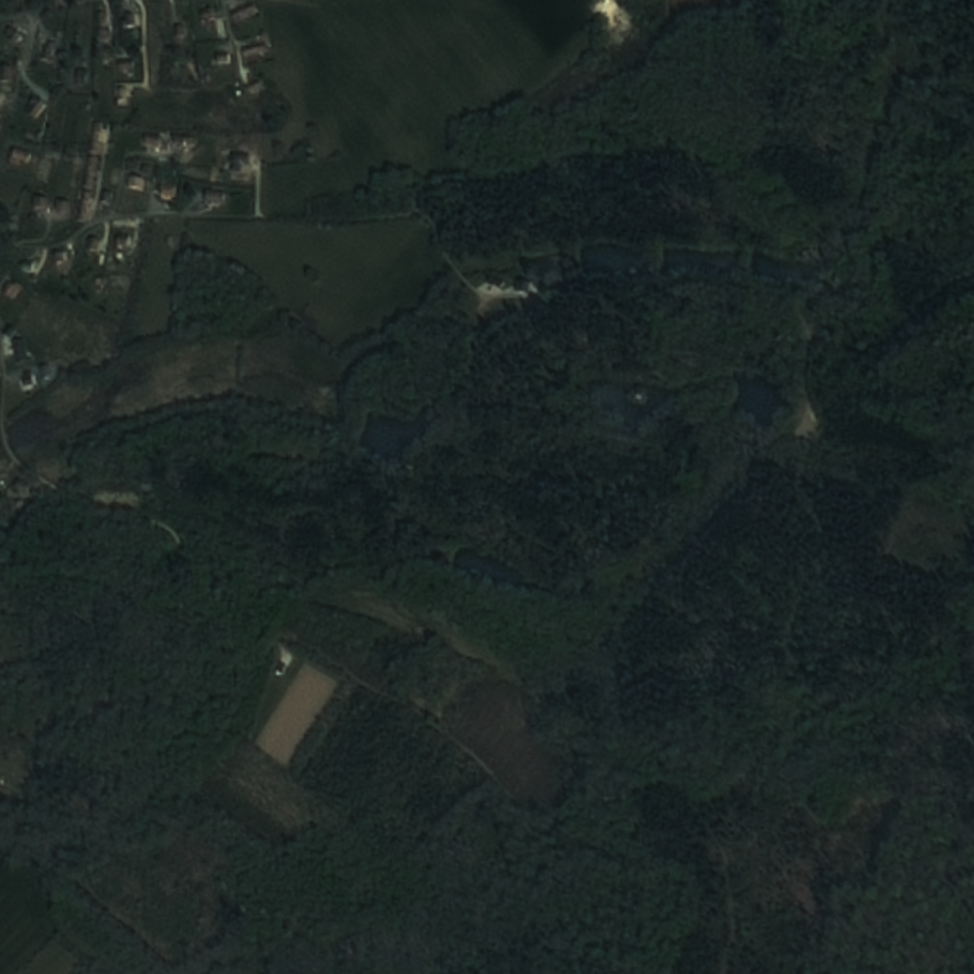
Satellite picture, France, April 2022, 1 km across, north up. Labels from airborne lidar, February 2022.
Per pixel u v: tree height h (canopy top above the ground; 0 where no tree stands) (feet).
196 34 0
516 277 0
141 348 52
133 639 50
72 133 0
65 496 45
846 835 45
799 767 75
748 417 58
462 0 0
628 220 47
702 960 25
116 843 68
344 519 32
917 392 61
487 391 59
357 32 0
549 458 26
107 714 63
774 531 75
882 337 30
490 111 22
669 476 37
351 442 57
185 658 70
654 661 79
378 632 35
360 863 58
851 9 54
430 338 68
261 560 37
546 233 55
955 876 94
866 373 43
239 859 60
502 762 0
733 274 57
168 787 60
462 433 44
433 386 67
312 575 25
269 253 0
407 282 0
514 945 61
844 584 69
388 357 67
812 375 34
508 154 41
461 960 68
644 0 73
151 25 0
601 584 79
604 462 35
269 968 62
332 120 0
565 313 83
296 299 0
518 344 55
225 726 64
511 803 72
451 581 52
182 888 36
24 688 52
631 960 68
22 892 0
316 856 57
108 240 0
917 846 87
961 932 87
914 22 48
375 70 0
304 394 0
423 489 26
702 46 65
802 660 105
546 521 21
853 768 75
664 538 78
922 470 49
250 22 0
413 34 0
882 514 88
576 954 68
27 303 0
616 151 55
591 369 52
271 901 44
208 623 58
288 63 0
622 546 100
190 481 39
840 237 83
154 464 60
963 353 47
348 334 0
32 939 0
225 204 0
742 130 61
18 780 0
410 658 48
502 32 0
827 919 29
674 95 62
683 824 34
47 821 73
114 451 55
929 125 67
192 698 64
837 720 63
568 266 72
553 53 0
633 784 96
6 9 71
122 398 0
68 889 64
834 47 74
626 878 30
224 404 46
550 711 65
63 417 0
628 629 52
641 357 38
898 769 71
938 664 73
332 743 23
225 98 0
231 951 70
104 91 0
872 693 77
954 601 78
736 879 41
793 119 71
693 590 72
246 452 41
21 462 0
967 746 77
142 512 21
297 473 44
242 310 56
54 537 59
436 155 0
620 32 0
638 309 62
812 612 70
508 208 65
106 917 52
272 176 0
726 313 88
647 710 100
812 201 80
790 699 92
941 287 26
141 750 65
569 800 44
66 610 49
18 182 0
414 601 41
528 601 44
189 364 0
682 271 66
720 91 59
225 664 67
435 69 0
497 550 34
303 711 0
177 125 0
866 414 42
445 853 62
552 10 0
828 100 58
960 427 67
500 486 50
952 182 28
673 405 55
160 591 62
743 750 56
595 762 78
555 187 47
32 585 57
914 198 66
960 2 36
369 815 47
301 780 26
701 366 48
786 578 69
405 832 30
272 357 0
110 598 63
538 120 77
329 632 43
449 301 48
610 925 33
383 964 58
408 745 22
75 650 54
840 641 66
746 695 85
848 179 78
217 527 41
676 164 64
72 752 72
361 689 26
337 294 0
